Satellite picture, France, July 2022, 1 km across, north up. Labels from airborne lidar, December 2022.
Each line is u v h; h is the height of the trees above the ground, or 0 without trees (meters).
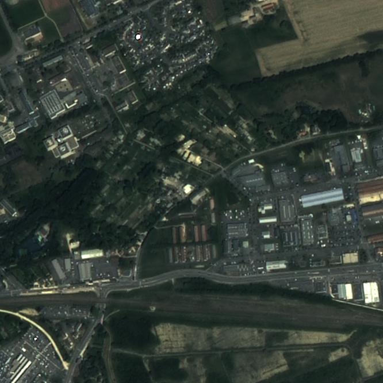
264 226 0
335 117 16
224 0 7
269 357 0
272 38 0
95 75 7
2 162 0
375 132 11
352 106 0
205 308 0
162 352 0
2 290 0
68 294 0
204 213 0
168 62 0
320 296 7
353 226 0
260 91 0
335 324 0
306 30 0
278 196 0
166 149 15
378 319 0
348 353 0
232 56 0
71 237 0
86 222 12
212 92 0
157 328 0
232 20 0
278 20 0
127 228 17
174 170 0
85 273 0
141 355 0
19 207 9
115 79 0
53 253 14
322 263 0
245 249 0
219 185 0
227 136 0
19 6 0
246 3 11
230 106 0
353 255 0
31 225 35
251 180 0
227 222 0
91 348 16
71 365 0
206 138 0
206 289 9
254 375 0
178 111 0
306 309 0
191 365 0
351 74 0
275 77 18
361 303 0
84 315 0
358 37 0
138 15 7
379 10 0
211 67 15
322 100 0
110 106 14
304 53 0
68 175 19
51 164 0
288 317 0
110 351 0
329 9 0
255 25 0
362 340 0
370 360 0
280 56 0
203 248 0
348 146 0
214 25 0
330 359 0
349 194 0
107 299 0
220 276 0
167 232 0
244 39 0
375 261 0
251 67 0
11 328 0
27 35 0
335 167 0
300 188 0
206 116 6
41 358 0
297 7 0
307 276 0
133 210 0
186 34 0
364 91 0
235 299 0
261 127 22
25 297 0
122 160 0
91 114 0
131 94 0
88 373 17
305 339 0
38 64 6
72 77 0
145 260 0
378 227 0
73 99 0
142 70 6
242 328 0
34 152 0
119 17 8
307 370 0
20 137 6
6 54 0
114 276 0
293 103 0
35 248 0
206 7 0
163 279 0
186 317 0
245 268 0
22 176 0
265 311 0
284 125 17
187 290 6
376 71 0
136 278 0
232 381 0
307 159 0
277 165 0
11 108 0
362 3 0
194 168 0
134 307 0
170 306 0
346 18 0
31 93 20
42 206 19
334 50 0
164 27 0
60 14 0
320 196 0
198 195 0
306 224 0
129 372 7
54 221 22
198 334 0
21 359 0
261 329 0
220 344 0
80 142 11
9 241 33
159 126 17
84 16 0
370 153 0
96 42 18
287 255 0
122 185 15
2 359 0
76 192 32
